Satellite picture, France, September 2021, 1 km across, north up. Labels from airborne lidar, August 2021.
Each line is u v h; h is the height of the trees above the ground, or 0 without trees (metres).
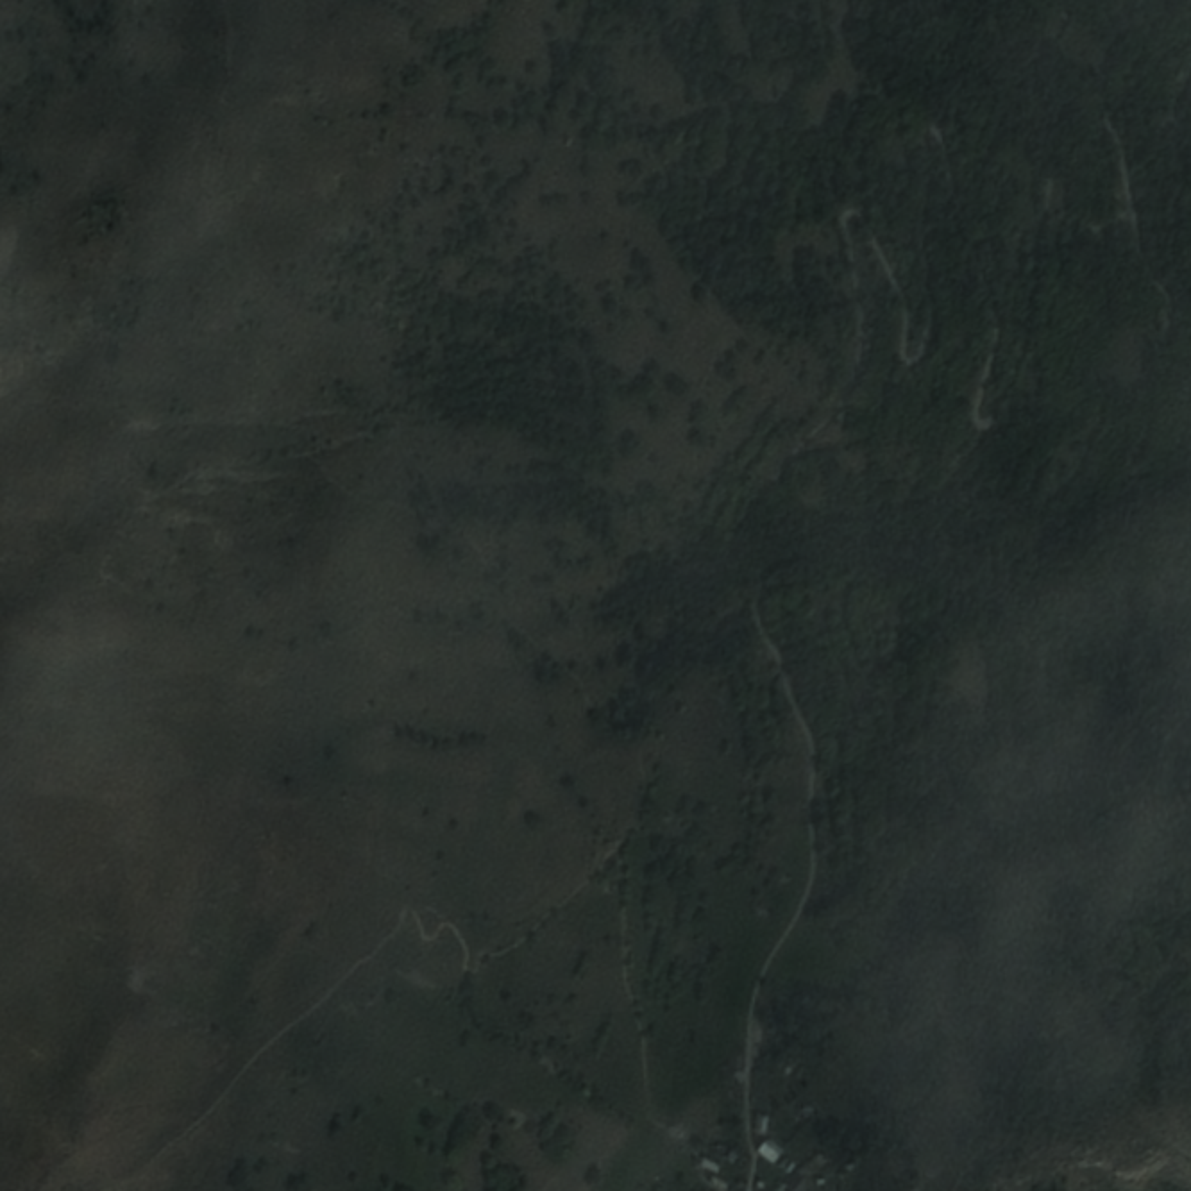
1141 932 7
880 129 14
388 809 0
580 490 13
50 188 0
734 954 0
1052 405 15
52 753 0
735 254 19
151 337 0
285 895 0
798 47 12
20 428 0
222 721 0
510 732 0
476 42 11
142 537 0
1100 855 18
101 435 0
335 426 0
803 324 11
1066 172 17
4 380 0
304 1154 0
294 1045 0
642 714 14
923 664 14
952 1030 19
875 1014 11
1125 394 15
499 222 7
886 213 18
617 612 15
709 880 0
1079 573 15
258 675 0
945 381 16
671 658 18
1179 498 19
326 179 0
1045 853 27
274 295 0
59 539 0
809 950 0
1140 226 11
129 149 0
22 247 0
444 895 0
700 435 11
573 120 9
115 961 0
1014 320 15
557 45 11
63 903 0
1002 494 6
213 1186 0
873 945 0
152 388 0
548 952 0
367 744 0
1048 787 34
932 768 12
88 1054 0
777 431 11
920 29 30
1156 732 31
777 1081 0
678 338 0
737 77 14
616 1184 0
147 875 0
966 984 20
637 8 25
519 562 0
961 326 13
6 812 0
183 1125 0
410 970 0
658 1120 0
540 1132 9
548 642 0
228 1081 0
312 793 0
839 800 13
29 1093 0
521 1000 0
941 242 19
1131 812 36
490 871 0
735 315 28
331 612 0
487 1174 10
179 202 0
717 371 12
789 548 18
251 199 0
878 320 16
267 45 0
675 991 10
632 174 10
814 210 15
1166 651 9
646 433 0
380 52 0
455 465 0
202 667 0
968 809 25
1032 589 23
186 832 0
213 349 0
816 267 13
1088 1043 27
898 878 14
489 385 8
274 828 0
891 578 20
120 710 0
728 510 13
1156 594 0
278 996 0
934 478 7
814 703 21
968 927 17
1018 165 0
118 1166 0
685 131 12
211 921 0
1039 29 14
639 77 0
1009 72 20
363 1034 0
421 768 0
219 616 0
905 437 13
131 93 0
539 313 13
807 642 12
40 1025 0
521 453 0
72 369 0
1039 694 17
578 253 0
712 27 15
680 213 12
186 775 0
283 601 0
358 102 0
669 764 0
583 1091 13
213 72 0
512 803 0
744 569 13
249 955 0
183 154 0
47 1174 0
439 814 0
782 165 15
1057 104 21
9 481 0
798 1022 9
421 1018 0
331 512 0
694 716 0
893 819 12
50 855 0
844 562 17
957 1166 0
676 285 0
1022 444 22
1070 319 21
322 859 0
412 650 0
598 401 13
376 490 0
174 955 0
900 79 24
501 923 0
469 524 13
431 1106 0
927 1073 17
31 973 0
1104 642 15
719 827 0
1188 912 10
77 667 0
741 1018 0
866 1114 8
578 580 0
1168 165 19
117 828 0
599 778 0
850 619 15
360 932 0
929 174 15
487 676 0
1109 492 14
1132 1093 8
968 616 29
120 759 0
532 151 0
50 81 9
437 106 0
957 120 11
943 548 23
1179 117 14
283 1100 0
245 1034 0
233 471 0
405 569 0
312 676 0
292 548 6
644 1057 0
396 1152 0
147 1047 0
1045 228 11
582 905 0
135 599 0
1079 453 16
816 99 0
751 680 13
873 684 13
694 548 11
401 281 7
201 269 0
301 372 0
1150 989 11
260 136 0
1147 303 12
